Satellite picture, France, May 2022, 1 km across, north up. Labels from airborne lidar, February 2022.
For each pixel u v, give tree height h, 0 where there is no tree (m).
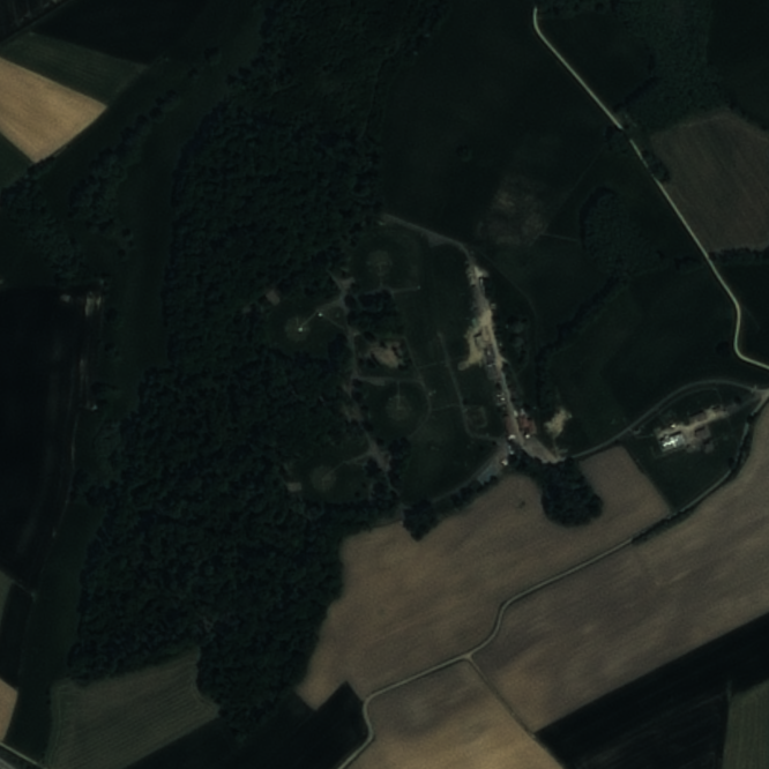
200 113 0
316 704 0
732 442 0
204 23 0
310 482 0
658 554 0
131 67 0
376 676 0
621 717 0
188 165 17
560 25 0
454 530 0
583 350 0
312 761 0
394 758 0
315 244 23
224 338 25
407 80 0
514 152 0
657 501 0
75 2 0
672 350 0
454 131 0
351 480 0
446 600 0
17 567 0
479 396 0
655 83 18
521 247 0
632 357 0
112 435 7
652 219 0
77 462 0
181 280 15
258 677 28
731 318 0
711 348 0
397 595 0
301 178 28
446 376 0
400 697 0
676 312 0
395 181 0
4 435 0
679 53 19
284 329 0
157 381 19
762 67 0
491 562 0
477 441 0
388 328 27
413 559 0
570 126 0
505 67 0
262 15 0
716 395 0
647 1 16
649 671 0
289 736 0
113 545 26
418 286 0
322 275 24
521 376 0
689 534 0
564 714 0
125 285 0
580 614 0
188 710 0
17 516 0
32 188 19
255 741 0
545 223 0
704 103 15
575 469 9
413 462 0
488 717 0
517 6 0
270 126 28
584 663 0
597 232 21
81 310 0
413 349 0
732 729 0
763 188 0
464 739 0
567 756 0
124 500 23
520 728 0
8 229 0
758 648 0
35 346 0
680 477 0
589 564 0
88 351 0
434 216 0
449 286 0
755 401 0
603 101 0
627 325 0
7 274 0
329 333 0
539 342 0
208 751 0
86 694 0
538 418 0
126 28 0
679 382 0
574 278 0
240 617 28
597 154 0
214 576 31
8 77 0
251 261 28
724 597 0
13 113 0
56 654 0
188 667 0
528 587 0
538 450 0
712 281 0
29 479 0
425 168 0
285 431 26
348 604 0
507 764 0
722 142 0
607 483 0
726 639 0
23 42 0
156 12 0
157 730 0
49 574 0
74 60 0
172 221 0
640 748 0
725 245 0
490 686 0
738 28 0
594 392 0
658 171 15
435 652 0
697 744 0
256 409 23
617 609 0
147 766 0
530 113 0
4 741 0
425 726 0
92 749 0
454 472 0
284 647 27
